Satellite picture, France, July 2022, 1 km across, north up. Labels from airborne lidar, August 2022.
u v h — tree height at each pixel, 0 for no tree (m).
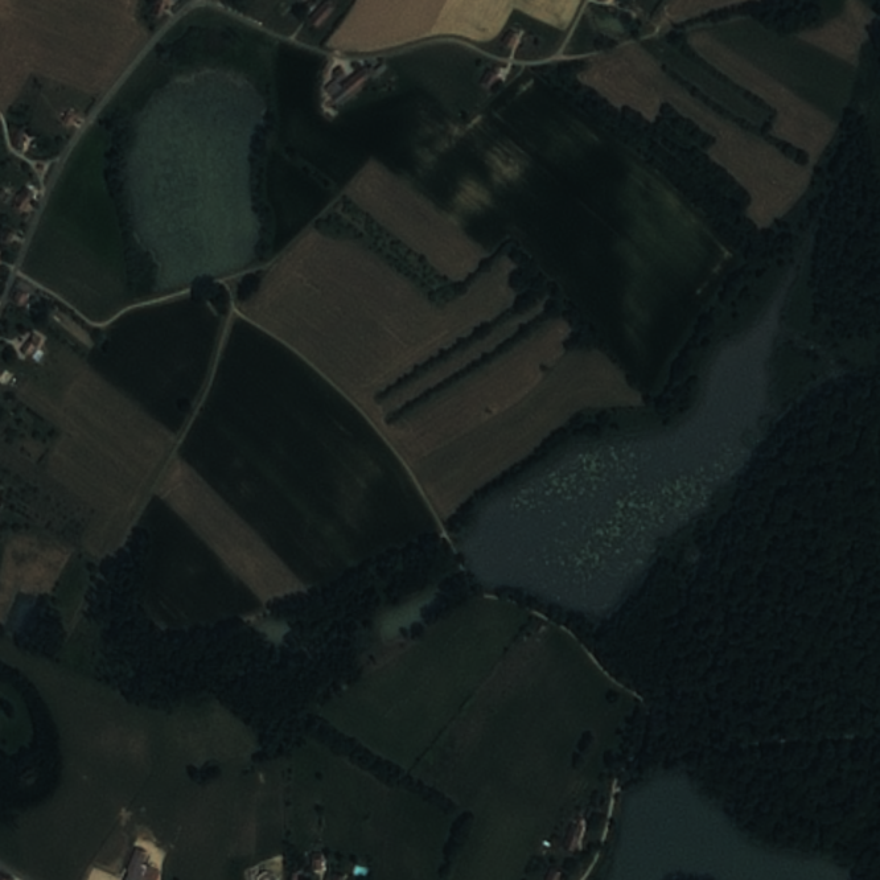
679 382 10
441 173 0
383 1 0
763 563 18
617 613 9
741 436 0
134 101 0
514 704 0
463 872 0
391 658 0
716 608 26
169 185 0
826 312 8
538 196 0
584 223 0
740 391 0
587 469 0
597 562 0
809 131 0
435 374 0
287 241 0
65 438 0
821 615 22
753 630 22
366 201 0
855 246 24
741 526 27
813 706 18
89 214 0
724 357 0
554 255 0
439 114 0
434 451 0
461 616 0
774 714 20
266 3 0
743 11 10
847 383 11
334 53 0
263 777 0
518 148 0
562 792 0
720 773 27
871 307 19
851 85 0
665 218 0
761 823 29
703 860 0
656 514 0
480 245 0
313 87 0
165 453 0
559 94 9
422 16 0
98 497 0
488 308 0
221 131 0
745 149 0
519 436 0
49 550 0
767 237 16
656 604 19
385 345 0
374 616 9
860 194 21
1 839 0
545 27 0
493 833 0
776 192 0
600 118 12
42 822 0
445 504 0
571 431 6
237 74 0
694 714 24
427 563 24
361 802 0
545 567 0
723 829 0
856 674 21
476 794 0
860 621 26
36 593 0
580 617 16
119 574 24
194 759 0
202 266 0
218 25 0
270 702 24
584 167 0
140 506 0
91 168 0
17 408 6
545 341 0
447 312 0
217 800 0
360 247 0
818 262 15
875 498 20
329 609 19
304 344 0
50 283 0
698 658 25
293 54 0
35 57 0
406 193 0
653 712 18
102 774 0
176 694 22
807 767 13
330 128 0
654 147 15
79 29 0
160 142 0
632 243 0
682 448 0
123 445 0
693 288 0
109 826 0
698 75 0
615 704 14
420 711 0
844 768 25
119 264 0
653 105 0
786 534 23
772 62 0
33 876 0
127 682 22
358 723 0
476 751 0
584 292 0
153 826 0
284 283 0
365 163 0
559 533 0
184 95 0
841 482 22
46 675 0
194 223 0
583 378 0
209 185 0
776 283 0
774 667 13
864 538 21
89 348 0
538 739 0
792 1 16
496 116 0
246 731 0
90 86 0
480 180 0
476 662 0
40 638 27
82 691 0
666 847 0
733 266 0
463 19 0
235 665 17
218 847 0
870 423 23
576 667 0
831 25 0
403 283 0
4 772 21
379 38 0
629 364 0
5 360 11
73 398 0
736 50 0
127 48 0
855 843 16
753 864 0
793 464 24
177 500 0
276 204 0
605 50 7
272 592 0
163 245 0
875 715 22
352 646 21
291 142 0
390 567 21
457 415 0
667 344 0
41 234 0
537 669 0
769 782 28
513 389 0
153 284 0
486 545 0
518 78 0
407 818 0
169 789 0
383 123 0
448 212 0
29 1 0
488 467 0
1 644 0
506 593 12
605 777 6
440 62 0
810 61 0
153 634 26
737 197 16
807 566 12
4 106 0
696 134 15
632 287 0
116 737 0
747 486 15
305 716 11
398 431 0
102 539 0
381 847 0
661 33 0
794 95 0
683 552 9
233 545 0
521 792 0
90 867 0
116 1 0
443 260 0
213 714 0
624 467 0
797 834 24
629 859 0
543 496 0
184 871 0
